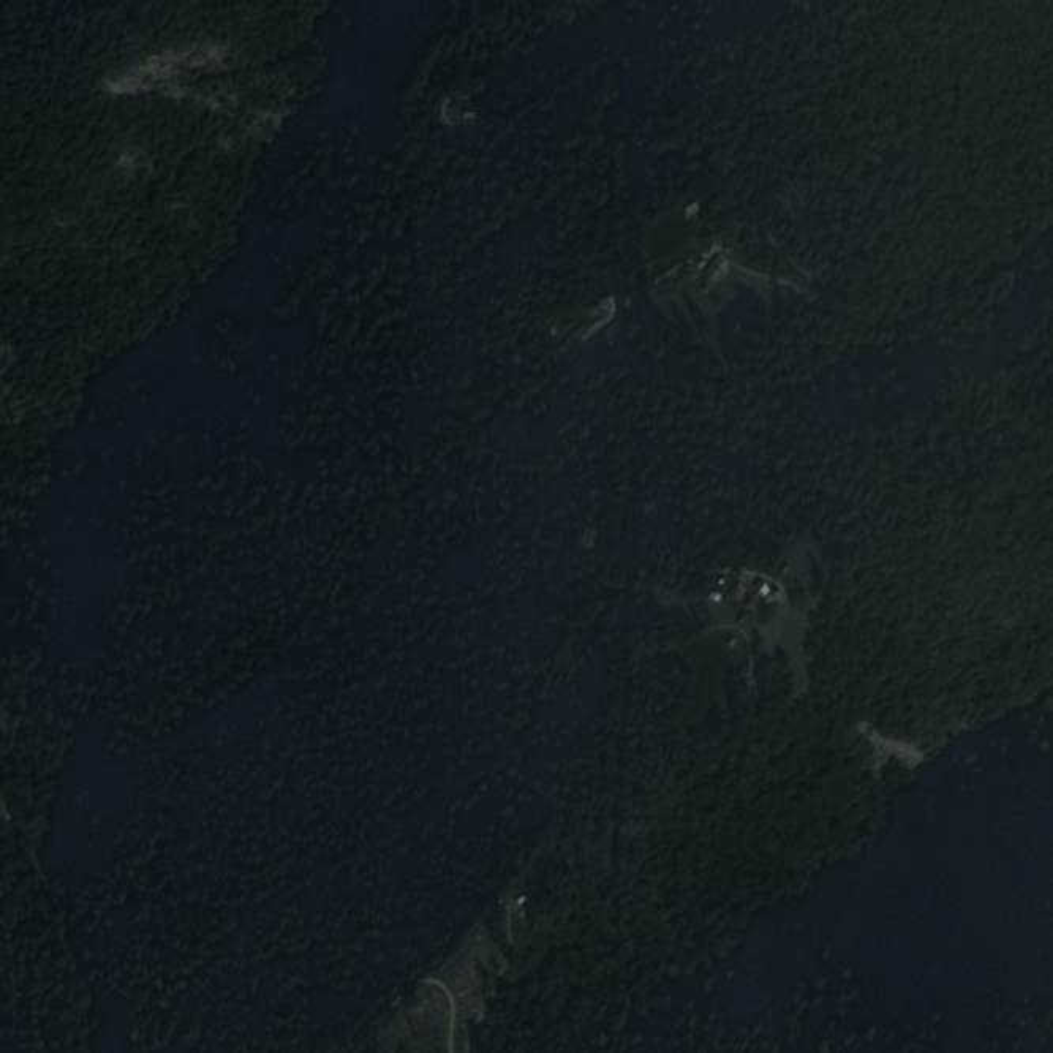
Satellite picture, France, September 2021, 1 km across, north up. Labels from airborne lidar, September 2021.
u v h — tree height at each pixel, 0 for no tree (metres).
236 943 8
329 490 26
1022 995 39
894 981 25
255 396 19
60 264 14
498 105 26
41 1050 24
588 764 27
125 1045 17
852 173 32
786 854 24
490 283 20
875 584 23
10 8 35
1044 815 39
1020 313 21
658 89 32
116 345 30
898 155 12
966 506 31
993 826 29
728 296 0
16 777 21
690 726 0
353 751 15
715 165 23
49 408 35
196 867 17
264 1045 21
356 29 32
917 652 40
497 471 19
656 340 23
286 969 8
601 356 0
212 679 24
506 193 32
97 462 37
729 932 27
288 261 29
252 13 19
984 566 29
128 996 32
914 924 15
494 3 42
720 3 25
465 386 28
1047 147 28
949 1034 37
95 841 11
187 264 27
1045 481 17
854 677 22
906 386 39
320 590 30
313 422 28
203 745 21
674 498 12
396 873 18
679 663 0
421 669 22
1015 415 36
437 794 17
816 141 27
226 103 20
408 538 17
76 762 8
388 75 22
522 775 14
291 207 31
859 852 28
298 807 25
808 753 30
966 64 18
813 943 48
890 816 27
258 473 33
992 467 33
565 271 29
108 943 24
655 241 0
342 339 21
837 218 28
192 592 23
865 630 28
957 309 41
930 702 26
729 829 25
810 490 21
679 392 24
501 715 33
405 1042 0
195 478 34
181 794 18
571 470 8
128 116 18
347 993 16
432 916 13
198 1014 22
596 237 26
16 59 22
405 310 10
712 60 26
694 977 20
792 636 0
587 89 24
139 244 17
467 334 12
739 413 19
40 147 29
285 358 21
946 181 27
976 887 33
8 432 35
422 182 26
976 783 30
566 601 27
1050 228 27
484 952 0
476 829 17
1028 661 34
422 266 15
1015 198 21
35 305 35
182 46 14
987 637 29
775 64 21
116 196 20
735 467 9
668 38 20
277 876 29
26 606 34
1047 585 29
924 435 26
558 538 23
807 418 26
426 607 33
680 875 26
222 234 22
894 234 17
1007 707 32
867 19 20
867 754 31
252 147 13
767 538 21
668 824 16
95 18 27
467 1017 0
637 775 27
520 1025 24
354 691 25
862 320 23
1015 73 17
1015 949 37
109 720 32
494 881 23
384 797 24
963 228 20
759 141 23
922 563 24
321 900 17
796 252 26
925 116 29
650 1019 22
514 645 28
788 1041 35
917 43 20
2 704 22
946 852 32
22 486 31
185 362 44
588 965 24
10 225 23
